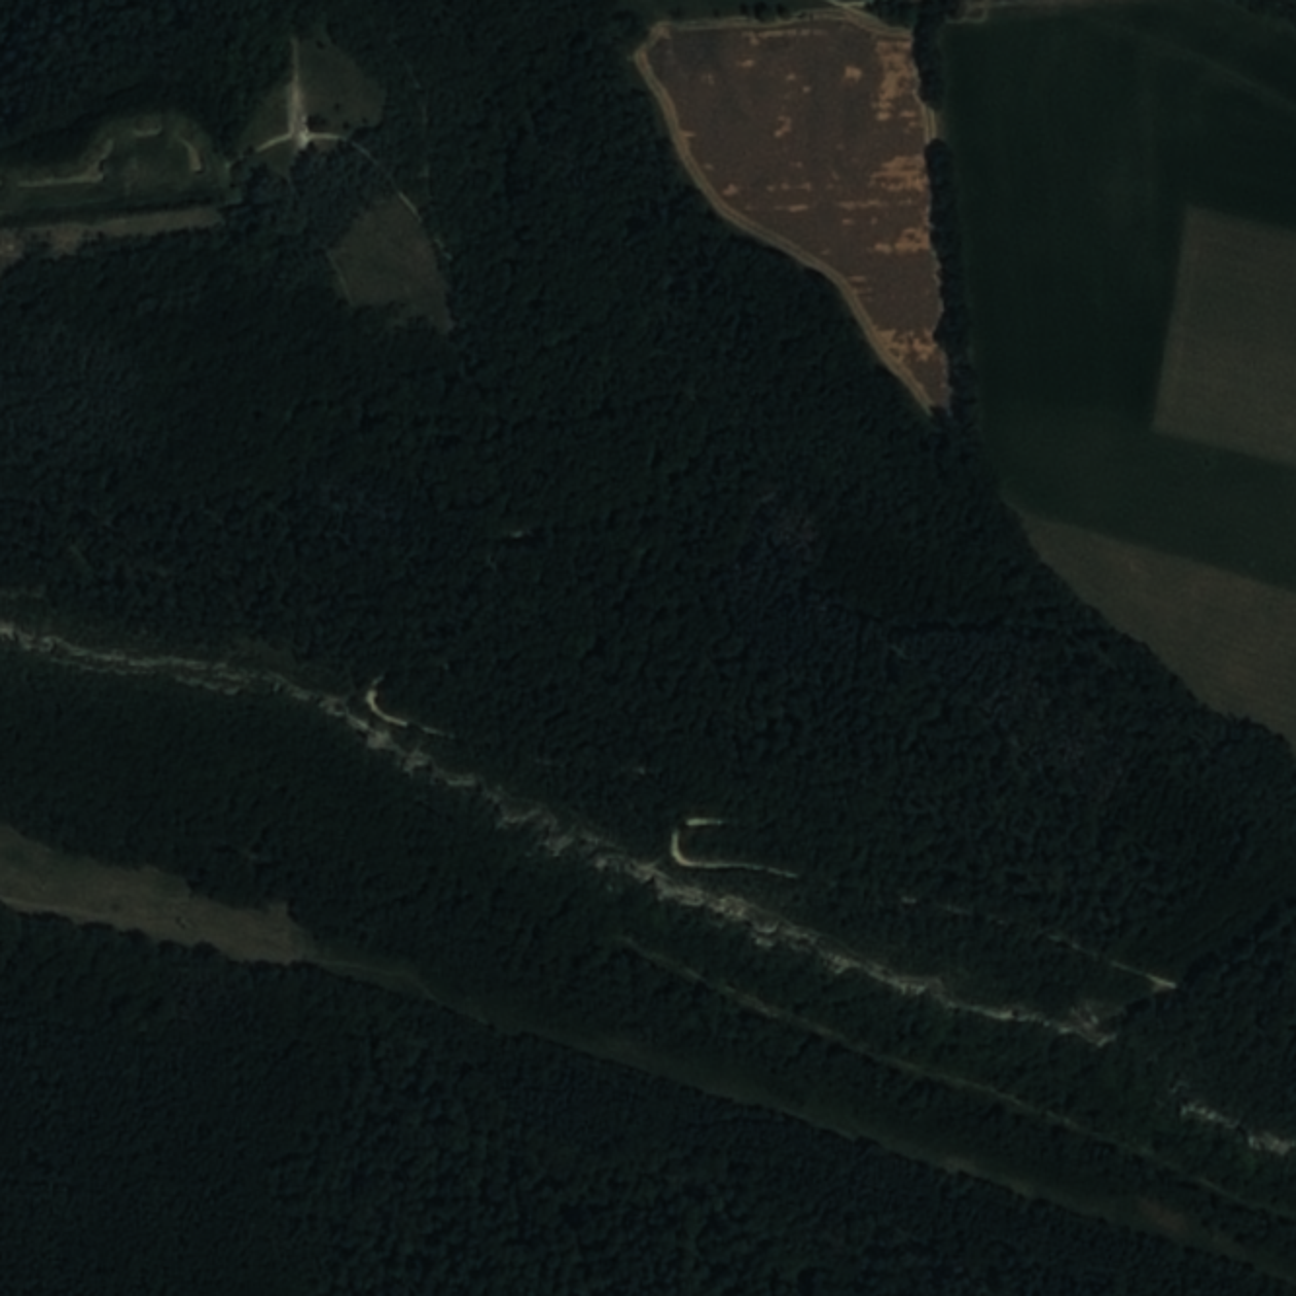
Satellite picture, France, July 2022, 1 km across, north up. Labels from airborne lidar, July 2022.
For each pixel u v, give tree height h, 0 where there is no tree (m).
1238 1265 11
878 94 0
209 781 26
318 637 15
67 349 16
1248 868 19
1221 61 0
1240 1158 20
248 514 22
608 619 29
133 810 23
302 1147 20
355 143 11
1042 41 0
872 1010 21
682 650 24
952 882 20
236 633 15
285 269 18
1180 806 7
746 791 21
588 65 26
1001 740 22
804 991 22
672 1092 13
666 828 13
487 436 24
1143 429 0
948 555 7
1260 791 21
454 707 15
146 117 0
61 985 28
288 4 17
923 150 0
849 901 13
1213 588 0
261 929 0
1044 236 0
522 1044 14
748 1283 25
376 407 22
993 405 0
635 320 24
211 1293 17
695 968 23
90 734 22
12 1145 19
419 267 0
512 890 27
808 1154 18
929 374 0
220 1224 20
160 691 15
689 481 24
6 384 17
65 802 29
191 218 0
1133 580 0
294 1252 18
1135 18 0
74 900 0
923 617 10
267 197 15
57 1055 18
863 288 0
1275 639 0
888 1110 8
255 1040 21
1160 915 18
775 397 17
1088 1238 15
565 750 20
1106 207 0
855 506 17
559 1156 24
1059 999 12
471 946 26
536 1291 25
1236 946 8
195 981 24
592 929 28
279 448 19
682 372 21
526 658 24
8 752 27
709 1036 16
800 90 0
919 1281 20
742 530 22
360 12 16
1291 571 0
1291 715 0
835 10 0
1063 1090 28
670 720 28
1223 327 0
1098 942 16
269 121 0
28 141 6
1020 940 14
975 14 0
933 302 0
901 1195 20
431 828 23
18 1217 21
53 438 18
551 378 28
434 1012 10
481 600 25
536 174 22
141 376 23
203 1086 17
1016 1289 9
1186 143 0
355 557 24
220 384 22
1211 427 0
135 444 21
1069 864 21
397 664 13
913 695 23
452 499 20
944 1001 25
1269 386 0
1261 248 0
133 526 23
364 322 14
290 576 20
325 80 0
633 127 23
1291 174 0
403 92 10
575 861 10
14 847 0
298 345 20
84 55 17
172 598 20
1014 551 23
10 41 14
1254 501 0
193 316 17
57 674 13
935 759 16
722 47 0
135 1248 19
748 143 0
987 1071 10
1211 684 0
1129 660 30
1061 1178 9
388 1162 26
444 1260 19
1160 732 26
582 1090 20
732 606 26
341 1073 20
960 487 27
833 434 15
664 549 27
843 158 0
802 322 32
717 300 29
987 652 23
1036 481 0
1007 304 0
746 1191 29
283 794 26
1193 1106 27
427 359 6
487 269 20
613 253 24
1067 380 0
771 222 0
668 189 24
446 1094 31
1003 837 19
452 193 8
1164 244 0
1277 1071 13
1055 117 0
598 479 27
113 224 0
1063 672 11
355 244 0
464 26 20
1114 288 0
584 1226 36
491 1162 30
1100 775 22
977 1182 18
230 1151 19
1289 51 0
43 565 17
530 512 27
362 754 15
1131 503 0
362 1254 23
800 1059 28
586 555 26
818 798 19
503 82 22
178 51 25
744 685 25
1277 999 24
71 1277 20
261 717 20
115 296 18
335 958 0
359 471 18
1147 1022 17
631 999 24
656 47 0
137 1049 15
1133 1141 13
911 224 0
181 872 18
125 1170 21
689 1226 33
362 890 25
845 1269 12
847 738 7
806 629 22
